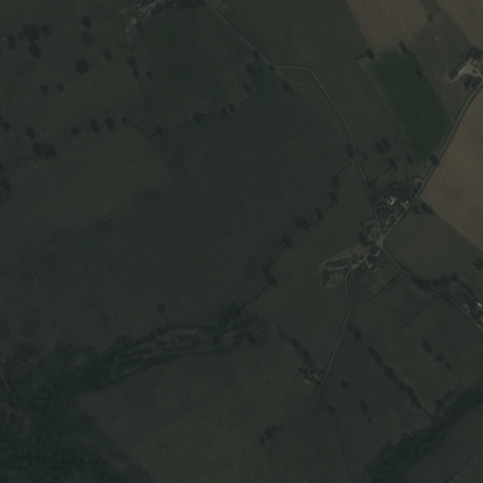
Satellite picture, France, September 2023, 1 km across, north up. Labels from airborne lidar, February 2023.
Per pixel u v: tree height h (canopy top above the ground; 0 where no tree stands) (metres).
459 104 0
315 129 0
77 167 0
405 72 0
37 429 9
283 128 0
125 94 0
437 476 0
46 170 0
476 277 0
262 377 0
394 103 0
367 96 0
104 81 0
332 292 0
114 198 0
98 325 0
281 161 0
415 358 0
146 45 0
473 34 0
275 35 0
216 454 0
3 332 0
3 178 0
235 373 0
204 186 0
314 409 0
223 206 0
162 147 0
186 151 0
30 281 0
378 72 0
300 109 0
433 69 0
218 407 0
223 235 0
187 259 0
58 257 0
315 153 0
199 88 0
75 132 11
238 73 0
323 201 0
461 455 0
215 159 0
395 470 6
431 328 0
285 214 0
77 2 0
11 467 18
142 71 0
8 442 20
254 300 0
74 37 0
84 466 22
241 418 0
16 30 0
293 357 0
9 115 0
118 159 0
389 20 0
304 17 0
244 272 0
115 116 0
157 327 0
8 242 0
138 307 0
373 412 0
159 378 0
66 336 0
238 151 0
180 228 0
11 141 0
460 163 0
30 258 0
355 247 0
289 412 0
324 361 0
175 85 0
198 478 0
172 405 0
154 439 0
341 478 0
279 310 0
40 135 0
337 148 0
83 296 0
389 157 0
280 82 0
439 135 0
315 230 0
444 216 0
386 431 0
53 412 9
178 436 0
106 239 0
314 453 0
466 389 0
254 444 0
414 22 0
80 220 0
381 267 0
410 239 0
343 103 0
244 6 0
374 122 0
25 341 0
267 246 0
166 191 0
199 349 0
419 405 10
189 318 0
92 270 0
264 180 0
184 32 0
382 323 0
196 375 0
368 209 0
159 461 0
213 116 0
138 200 0
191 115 0
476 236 0
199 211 0
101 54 0
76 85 0
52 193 0
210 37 0
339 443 0
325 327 0
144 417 0
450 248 0
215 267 0
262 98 0
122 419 0
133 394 0
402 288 0
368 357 0
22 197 0
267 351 0
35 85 0
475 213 0
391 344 0
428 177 0
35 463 21
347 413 0
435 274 0
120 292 0
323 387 0
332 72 0
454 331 0
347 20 0
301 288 0
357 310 0
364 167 0
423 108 0
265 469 0
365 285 0
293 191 0
